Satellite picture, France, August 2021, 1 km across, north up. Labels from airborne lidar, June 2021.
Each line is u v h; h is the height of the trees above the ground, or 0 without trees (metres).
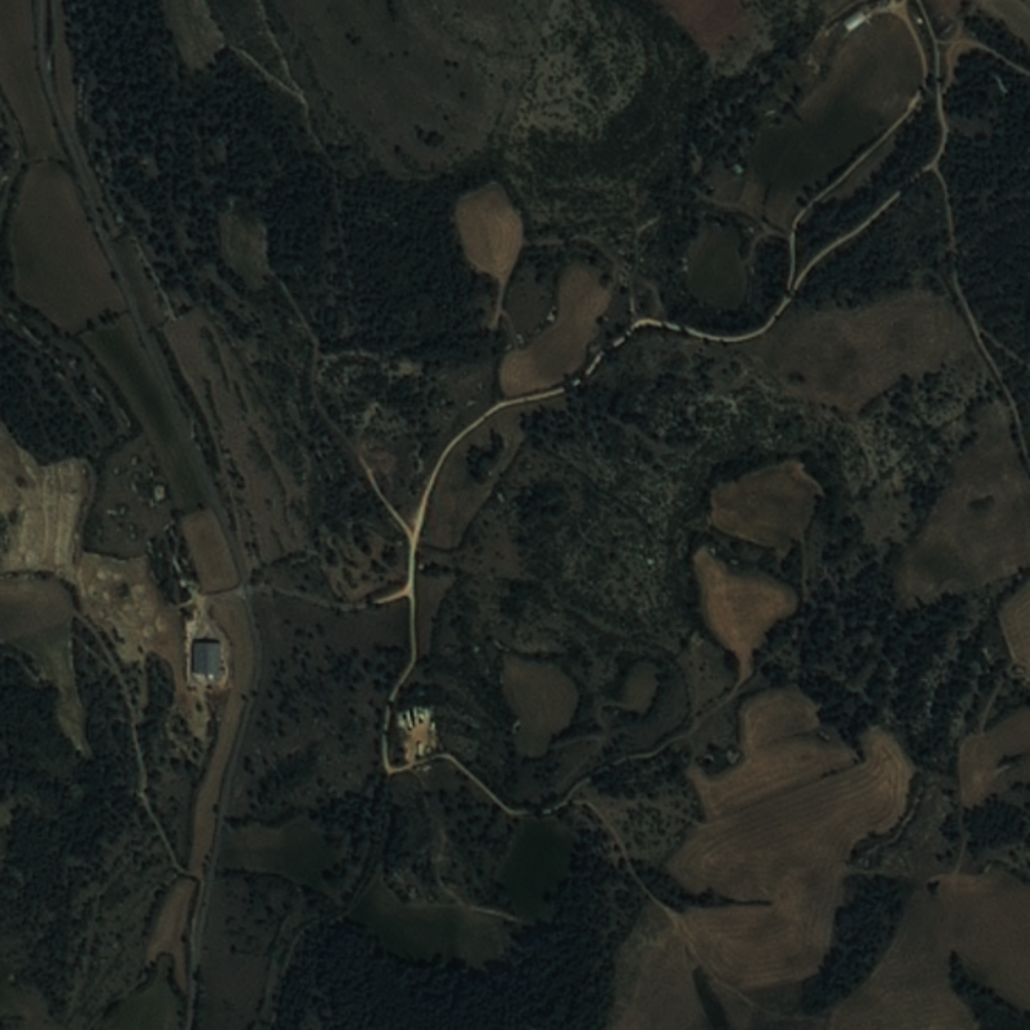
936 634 7
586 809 7
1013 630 0
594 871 7
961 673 7
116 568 0
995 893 0
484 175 7
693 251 0
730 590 0
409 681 0
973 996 7
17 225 0
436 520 0
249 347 0
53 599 0
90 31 9
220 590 0
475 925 0
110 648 9
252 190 8
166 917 0
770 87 10
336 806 13
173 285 9
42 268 0
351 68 0
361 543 8
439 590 0
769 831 0
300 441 7
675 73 0
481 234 0
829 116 0
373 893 0
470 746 0
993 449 0
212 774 0
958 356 0
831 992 11
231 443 0
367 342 12
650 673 0
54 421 8
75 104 0
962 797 0
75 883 7
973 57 9
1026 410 8
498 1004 16
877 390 0
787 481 0
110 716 10
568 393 9
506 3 0
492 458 13
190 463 0
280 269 14
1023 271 7
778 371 0
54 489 0
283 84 0
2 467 0
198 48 0
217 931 0
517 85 0
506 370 0
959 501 0
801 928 0
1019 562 0
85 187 0
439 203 10
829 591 10
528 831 0
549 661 8
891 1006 0
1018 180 9
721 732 0
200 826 0
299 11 0
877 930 7
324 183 7
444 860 0
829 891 0
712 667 0
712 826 0
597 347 0
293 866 0
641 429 11
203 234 6
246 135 10
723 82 7
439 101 0
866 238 8
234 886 0
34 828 11
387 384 7
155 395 0
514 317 0
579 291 0
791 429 8
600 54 0
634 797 8
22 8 0
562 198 0
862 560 8
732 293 0
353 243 9
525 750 0
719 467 11
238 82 11
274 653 0
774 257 12
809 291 9
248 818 6
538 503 11
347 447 0
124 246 0
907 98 0
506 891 10
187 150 12
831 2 0
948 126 0
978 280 11
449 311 8
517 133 0
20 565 0
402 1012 15
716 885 0
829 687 12
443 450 0
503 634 0
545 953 14
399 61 0
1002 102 8
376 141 0
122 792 10
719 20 0
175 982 11
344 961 19
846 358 0
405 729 0
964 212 8
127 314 0
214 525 0
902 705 12
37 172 0
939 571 0
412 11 0
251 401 0
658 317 0
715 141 10
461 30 0
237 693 0
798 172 0
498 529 0
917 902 0
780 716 0
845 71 0
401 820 14
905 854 0
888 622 9
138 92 14
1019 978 0
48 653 0
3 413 10
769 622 0
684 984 0
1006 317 10
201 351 0
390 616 0
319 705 12
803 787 0
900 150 10
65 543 0
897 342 0
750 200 0
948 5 0
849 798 0
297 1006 9
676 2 0
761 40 0
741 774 0
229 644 0
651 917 0
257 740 0
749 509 0
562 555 0
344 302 8
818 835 0
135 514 0
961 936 0
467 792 9
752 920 0
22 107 0
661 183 7
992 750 0
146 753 6
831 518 9
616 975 8
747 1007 0
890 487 0
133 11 13
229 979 0
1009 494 0
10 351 11
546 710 0
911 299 0
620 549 0
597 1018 9
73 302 0
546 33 0
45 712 8
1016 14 0
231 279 11
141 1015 0
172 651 0
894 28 0
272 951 8
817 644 12
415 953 0
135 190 11
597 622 0
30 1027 0
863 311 0
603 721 0
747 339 0
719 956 0
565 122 0
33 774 10
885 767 0
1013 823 8
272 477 0
